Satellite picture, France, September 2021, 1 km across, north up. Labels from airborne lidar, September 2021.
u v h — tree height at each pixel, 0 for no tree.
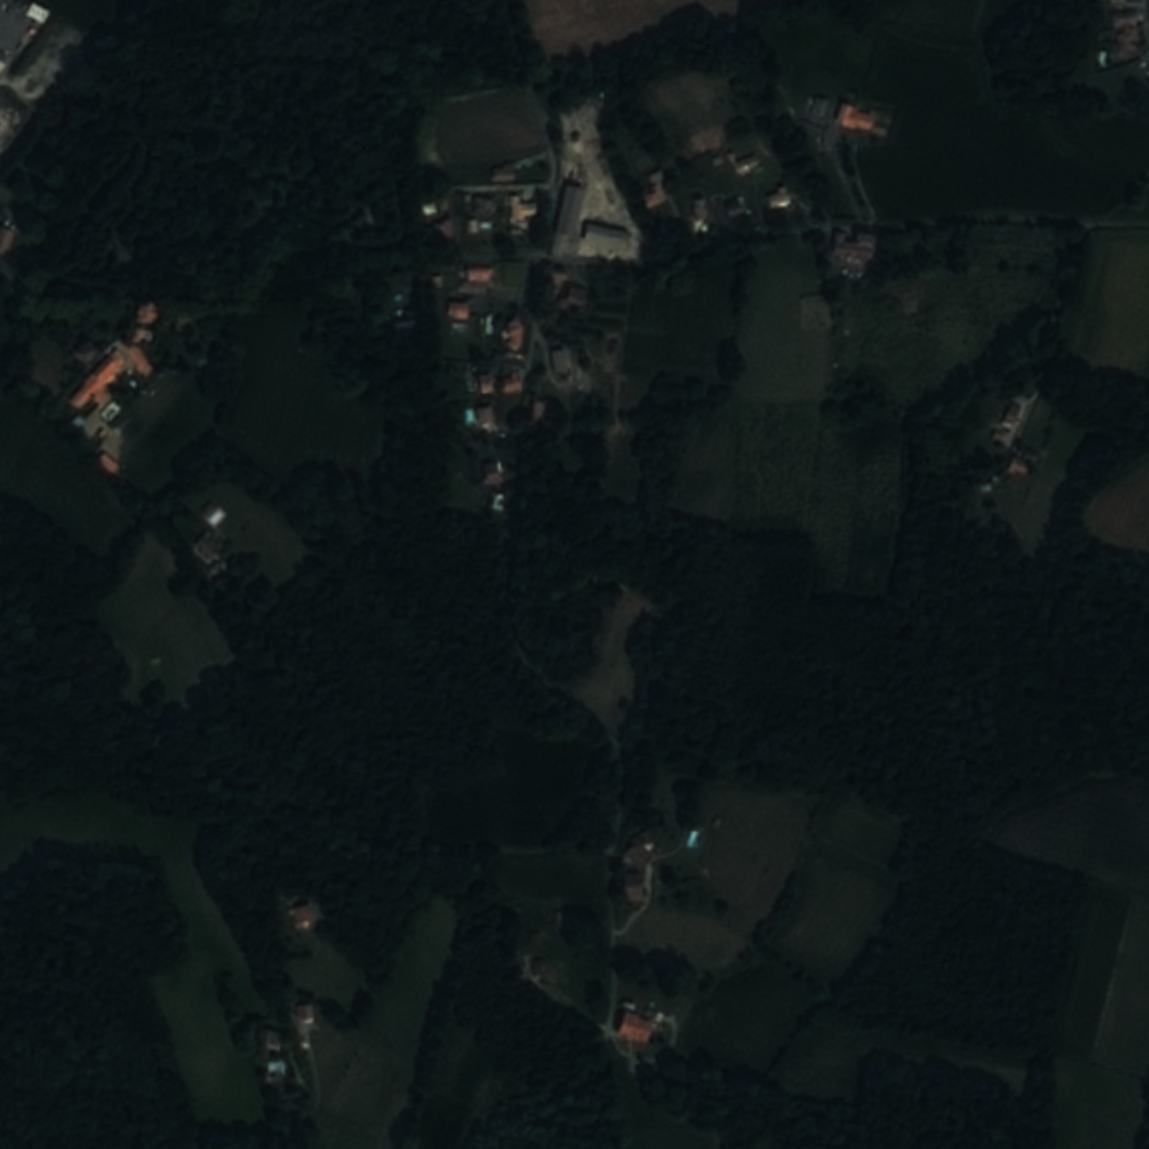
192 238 22
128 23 20
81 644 31
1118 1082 0
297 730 12
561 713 19
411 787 17
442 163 0
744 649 15
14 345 8
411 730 8
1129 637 26
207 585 15
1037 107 16
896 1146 25
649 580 25
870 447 7
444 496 25
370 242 10
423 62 32
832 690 12
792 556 21
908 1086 22
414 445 27
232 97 31
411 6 21
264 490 12
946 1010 16
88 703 27
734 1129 21
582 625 16
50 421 10
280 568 0
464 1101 0
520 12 16
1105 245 0
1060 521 16
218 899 21
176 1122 25
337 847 17
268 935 12
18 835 0
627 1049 0
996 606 32
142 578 0
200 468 17
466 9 8
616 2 0
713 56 30
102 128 27
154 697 9
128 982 24
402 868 27
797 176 14
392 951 20
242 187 15
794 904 12
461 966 15
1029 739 24
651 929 0
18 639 27
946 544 26
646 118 15
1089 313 0
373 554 14
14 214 0
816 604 17
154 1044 22
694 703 23
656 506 17
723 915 10
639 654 14
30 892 23
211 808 25
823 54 0
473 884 19
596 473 16
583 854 14
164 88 27
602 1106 27
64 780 24
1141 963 0
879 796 15
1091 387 25
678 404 12
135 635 0
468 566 20
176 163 15
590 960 20
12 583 26
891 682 14
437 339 20
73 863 21
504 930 18
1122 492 0
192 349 14
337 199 12
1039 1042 17
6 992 20
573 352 7
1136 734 31
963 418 24
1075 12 25
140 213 15
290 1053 6
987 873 16
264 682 26
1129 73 0
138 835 0
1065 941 13
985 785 24
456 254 15
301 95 25
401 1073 0
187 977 0
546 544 29
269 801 17
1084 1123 0
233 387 16
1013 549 21
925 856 19
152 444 0
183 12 30
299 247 15
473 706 16
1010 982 16
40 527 24
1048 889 14
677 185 12
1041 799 9
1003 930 14
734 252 20
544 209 11
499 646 12
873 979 14
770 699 14
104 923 26
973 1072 0
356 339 26
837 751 15
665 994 17
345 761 14
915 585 24
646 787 15
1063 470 0
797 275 0
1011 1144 25
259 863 19
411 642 5
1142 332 0
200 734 26
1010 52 25
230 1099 0
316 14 26
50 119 11
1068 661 35
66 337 19
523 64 14
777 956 6
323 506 35
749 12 18
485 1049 17
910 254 0
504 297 0
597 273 6
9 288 10
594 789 16
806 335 0
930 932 18
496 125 0
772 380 0
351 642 15
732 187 0
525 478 20
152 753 28
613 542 32
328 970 0
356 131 29
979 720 25
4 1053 25
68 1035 23
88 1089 20
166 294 25
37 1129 23
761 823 0
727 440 0
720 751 20
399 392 28
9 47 0
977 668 22
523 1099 6
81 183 26
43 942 25
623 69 21
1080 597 26
